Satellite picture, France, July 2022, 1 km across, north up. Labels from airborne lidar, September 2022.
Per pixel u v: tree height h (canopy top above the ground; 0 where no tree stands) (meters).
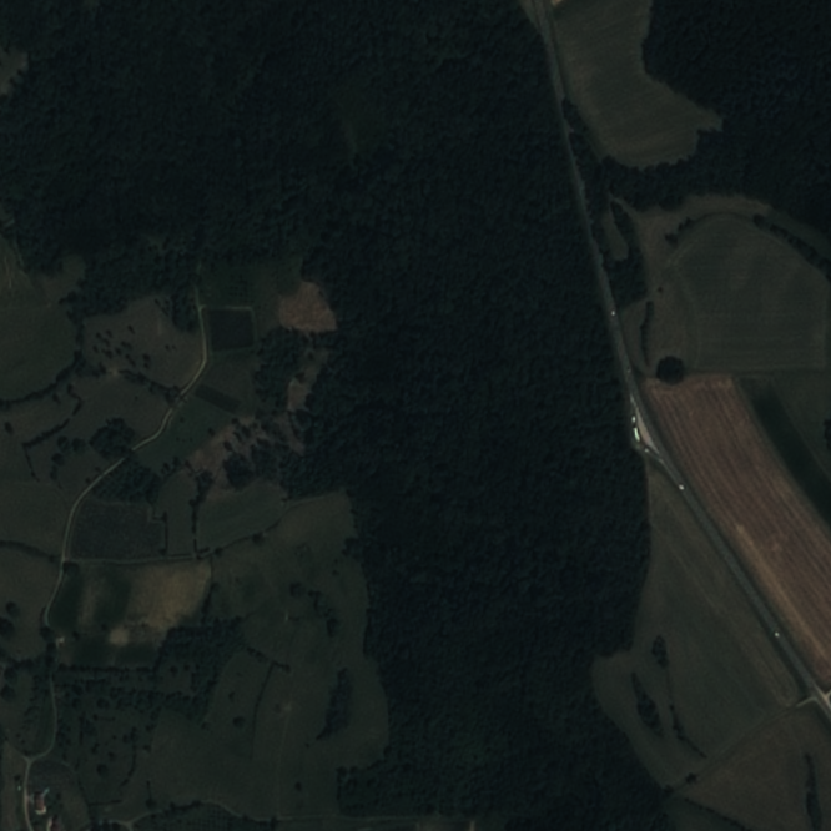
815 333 0
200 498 7
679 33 21
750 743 0
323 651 0
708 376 0
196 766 0
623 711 0
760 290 0
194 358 0
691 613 0
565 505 25
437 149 22
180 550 0
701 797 0
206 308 0
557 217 17
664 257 0
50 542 0
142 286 21
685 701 0
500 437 25
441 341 24
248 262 15
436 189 25
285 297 0
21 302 0
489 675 19
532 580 10
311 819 0
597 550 25
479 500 19
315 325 0
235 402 0
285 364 6
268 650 0
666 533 0
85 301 19
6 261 0
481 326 25
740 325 0
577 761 23
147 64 17
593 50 0
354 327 22
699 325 0
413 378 25
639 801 17
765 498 0
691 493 0
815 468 0
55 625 0
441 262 21
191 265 17
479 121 18
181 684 0
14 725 0
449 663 21
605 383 7
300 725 0
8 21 14
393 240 33
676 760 0
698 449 0
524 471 23
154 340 0
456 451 22
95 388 0
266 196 16
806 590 0
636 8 0
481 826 0
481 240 30
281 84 23
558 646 20
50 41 17
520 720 20
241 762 0
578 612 18
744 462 0
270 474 9
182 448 0
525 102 21
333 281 20
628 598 18
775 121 27
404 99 22
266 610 0
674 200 15
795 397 0
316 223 14
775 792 0
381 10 20
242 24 23
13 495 0
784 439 0
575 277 23
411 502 11
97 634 0
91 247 24
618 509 17
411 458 20
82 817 0
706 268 0
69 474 0
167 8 17
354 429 23
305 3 10
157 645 0
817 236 0
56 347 0
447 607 31
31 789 0
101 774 11
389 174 26
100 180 22
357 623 0
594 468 19
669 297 0
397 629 22
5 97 10
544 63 18
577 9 0
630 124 0
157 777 0
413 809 6
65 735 10
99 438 7
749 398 0
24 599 0
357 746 0
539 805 23
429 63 17
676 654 0
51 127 22
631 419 0
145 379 16
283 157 22
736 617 0
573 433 9
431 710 12
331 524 0
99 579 0
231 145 24
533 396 23
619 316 0
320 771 0
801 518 0
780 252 0
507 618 31
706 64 19
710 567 0
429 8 26
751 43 26
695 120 0
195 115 22
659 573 0
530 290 28
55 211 24
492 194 30
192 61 23
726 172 19
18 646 0
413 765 6
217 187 23
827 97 20
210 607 12
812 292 0
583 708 15
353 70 28
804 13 20
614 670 0
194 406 0
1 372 0
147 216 22
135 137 22
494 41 18
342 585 0
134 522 0
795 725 0
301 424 13
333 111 21
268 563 0
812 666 0
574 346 21
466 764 7
